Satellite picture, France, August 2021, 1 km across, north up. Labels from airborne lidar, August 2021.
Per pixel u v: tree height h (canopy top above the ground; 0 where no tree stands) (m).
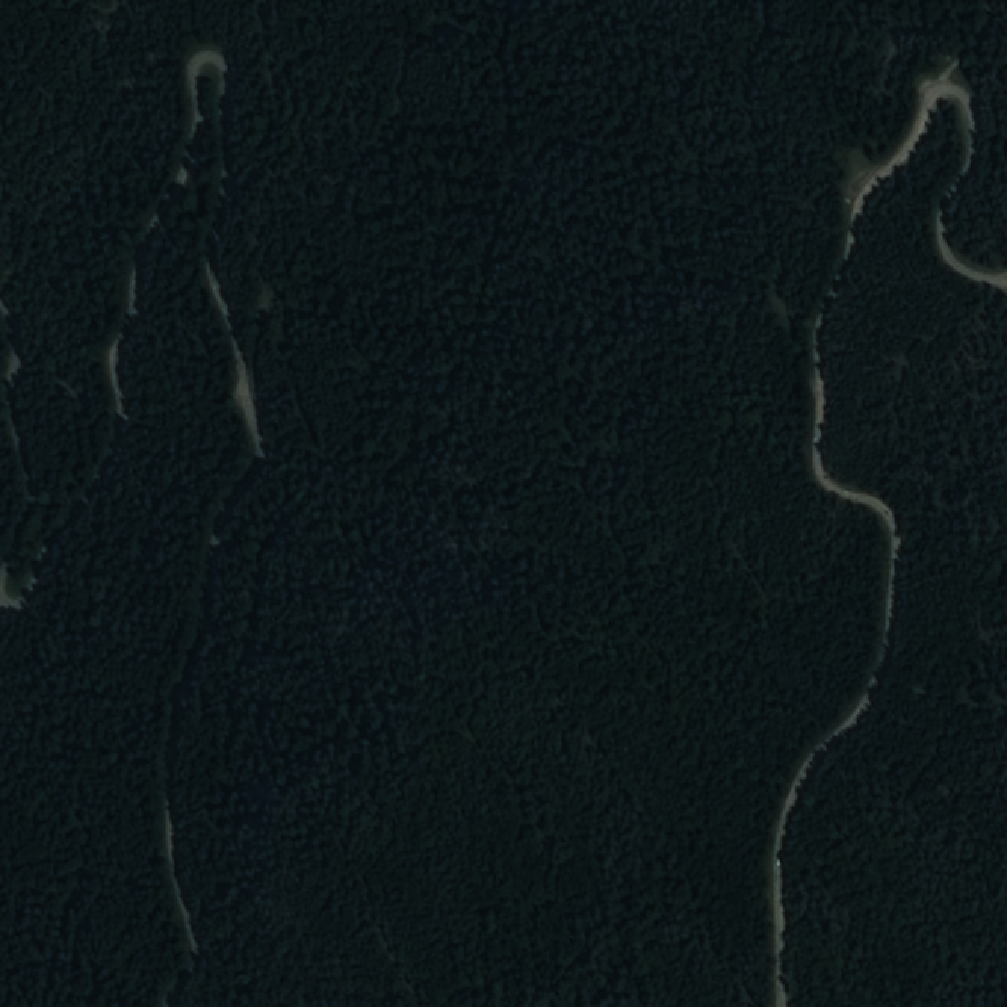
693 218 19
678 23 20
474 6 30
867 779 13
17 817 25
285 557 22
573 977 29
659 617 18
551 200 24
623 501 27
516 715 21
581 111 25
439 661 23
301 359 23
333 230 19
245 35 21
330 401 17
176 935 17
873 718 19
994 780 11
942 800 8
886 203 17
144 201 31
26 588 0
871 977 11
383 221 21
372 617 29
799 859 20
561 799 14
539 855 11
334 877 21
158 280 18
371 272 17
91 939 25
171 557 35
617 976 16
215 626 17
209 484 28
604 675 20
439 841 18
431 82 17
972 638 10
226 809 19
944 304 13
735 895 19
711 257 21
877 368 18
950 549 14
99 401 20
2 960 28
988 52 20
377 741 15
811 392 13
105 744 20
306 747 32
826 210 15
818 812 18
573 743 21
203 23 21
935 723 21
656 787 15
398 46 15
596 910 21
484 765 15
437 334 32
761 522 14
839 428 14
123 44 23
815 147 10
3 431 30
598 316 27
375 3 20
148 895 31
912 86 9
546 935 16
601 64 25
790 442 21
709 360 22
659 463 24
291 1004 18
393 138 8
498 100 14
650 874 27
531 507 21
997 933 14
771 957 11
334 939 15
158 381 20
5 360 27
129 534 18
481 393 16
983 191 13
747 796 19
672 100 8
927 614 16
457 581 12
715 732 13
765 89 12
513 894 17
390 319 32
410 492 16
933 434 19
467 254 27
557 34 23
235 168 21
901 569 14
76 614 24
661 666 12
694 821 20
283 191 27
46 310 29
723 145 19
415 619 10
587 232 23
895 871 12
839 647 18
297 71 24
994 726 14
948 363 19
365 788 8
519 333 12
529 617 20
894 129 10
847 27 22
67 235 16
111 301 33
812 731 20
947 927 23
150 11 19
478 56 33
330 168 15
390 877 12
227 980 23
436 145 9
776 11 17
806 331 19
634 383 17
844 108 15
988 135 16
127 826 23
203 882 24
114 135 14
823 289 12
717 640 18
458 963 24
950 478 26
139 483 22
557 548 25
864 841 20
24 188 19
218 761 16
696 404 19
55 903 29
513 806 27
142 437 23
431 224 20
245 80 26
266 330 24
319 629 19
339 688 25
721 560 8
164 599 24
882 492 12
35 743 20
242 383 0
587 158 23
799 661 14
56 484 19
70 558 25
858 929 14
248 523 19
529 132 20
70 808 28
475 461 19
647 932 24
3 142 26
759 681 25
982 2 21
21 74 24
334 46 17
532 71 28
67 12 23
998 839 19
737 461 14
